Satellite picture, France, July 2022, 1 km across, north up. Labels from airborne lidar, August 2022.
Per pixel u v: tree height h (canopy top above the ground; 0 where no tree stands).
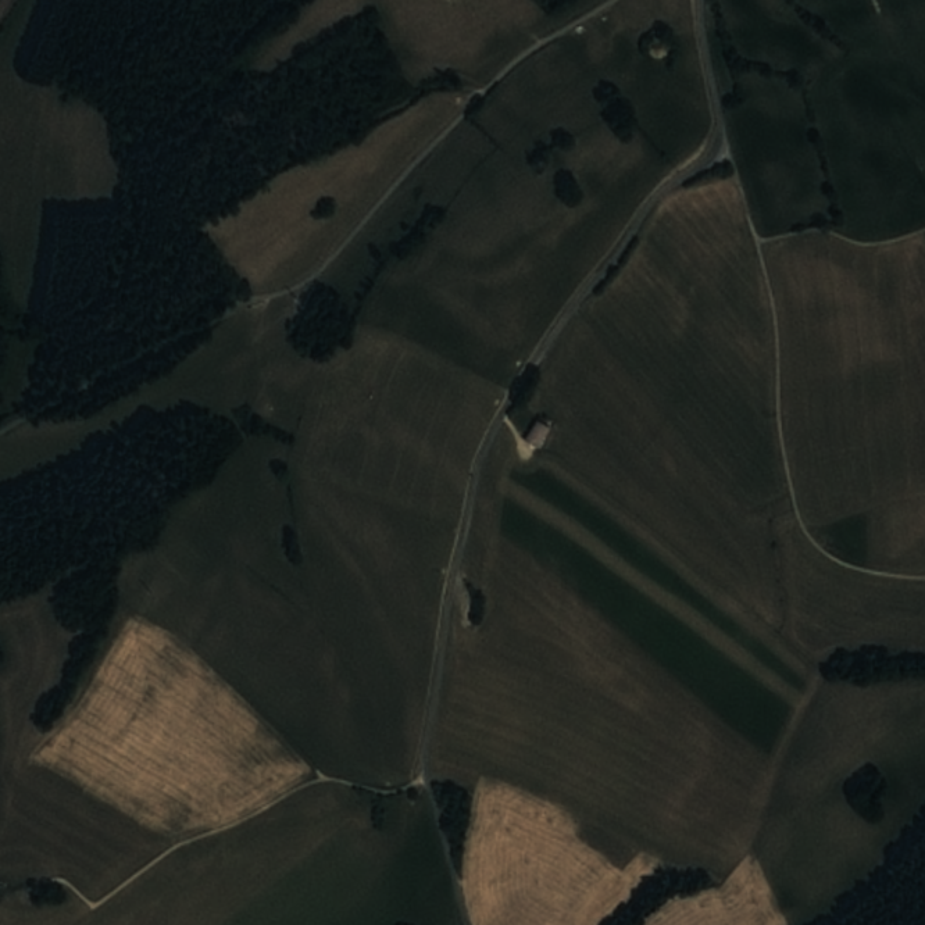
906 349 0
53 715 16
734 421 0
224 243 0
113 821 0
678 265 0
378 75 16
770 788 0
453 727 0
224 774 0
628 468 0
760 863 0
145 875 0
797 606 0
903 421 0
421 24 0
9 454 0
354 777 0
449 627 0
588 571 0
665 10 0
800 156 0
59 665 0
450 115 0
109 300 22
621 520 0
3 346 22
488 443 0
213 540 0
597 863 0
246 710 0
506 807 0
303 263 0
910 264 0
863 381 0
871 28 0
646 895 18
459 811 18
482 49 0
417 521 0
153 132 14
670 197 0
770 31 0
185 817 0
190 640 0
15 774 0
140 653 0
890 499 0
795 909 0
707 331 0
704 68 0
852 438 0
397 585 0
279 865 0
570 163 0
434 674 0
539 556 0
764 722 0
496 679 0
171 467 24
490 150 0
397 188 0
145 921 0
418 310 0
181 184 18
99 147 0
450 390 0
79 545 11
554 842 0
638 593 0
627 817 0
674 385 0
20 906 0
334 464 0
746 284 0
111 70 25
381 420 0
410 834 0
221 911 0
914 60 0
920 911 29
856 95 0
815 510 0
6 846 0
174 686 0
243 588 0
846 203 0
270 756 0
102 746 0
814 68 0
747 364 0
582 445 0
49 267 28
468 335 0
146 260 18
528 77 0
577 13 0
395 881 0
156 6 18
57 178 0
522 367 0
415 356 0
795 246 0
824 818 0
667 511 0
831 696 0
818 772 0
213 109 6
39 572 15
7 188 0
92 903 0
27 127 0
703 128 0
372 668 0
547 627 0
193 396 0
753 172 0
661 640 0
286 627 0
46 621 0
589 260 0
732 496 0
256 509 0
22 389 0
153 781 0
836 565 0
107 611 22
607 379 0
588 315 0
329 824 0
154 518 27
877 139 0
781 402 0
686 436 0
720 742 0
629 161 0
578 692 0
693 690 0
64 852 0
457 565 0
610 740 0
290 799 0
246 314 0
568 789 0
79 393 16
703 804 0
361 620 0
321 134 19
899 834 0
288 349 0
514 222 0
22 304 0
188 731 0
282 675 0
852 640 0
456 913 0
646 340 0
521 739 0
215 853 0
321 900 0
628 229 0
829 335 0
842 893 0
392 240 0
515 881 0
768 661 0
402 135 0
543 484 0
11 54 0
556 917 0
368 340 0
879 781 17
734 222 0
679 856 0
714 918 0
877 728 0
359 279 0
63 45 25
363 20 12
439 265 0
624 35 0
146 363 20
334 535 0
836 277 0
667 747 0
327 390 0
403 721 0
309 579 0
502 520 0
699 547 0
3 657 7
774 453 0
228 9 11
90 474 33
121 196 17
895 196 0
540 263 0
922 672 9
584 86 0
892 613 0
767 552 0
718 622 0
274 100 14
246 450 0
